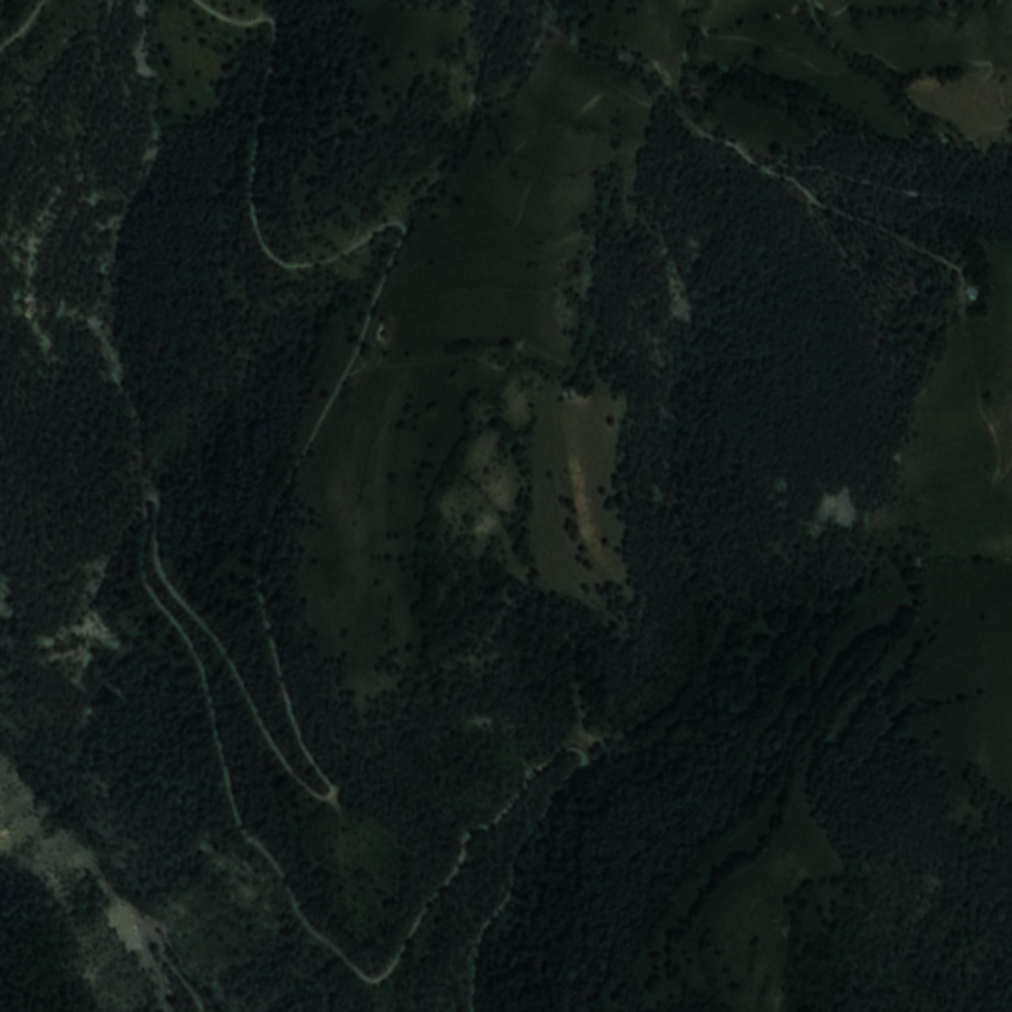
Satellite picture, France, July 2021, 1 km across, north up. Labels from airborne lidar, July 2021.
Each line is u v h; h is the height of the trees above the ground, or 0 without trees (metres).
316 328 19
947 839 15
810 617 19
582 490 0
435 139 12
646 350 10
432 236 0
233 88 18
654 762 19
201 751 14
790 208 8
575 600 6
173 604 12
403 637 0
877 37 0
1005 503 0
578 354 9
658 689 6
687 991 10
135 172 10
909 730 11
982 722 0
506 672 17
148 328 19
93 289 12
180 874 10
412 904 15
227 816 7
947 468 0
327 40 11
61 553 13
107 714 12
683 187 11
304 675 16
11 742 7
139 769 17
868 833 14
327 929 11
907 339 10
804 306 13
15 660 13
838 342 13
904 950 15
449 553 6
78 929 8
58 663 13
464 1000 15
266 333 13
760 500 11
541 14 7
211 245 13
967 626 0
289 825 12
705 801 22
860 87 0
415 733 16
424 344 0
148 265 17
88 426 16
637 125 0
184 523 14
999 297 0
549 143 0
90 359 13
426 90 7
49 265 11
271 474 17
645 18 0
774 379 15
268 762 9
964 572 0
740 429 13
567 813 28
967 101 0
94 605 11
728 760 19
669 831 19
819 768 17
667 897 16
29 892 14
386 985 11
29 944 19
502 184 0
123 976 6
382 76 0
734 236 12
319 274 13
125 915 0
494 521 0
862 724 16
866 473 11
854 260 10
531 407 7
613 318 13
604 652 15
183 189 17
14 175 11
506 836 16
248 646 12
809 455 13
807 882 11
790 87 16
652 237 13
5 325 12
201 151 17
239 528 18
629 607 9
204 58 0
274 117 12
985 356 0
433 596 13
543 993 20
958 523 0
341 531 0
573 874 11
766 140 0
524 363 8
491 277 0
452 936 17
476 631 10
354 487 0
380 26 0
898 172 9
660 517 20
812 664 7
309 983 8
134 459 11
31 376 14
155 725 15
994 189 18
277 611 15
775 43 0
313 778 9
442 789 12
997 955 13
